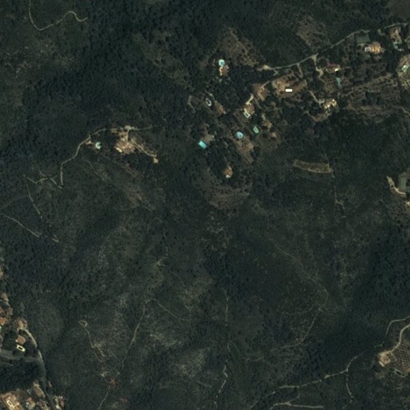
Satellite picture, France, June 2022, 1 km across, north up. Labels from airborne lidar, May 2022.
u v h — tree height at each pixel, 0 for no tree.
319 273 6
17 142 16
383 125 7
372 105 15
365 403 15
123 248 8
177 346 6
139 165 15
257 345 7
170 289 7
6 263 11
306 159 8
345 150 8
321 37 10
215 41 10
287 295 7
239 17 7
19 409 0
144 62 9
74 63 5
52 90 13
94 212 6
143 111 15
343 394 6
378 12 12
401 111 8
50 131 12
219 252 17
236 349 5
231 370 9
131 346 6
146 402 9
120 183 0
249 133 6
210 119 11
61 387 7
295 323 9
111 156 7
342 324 6
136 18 24
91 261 7
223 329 6
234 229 6
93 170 7
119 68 11
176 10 9
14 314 8
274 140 9
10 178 8
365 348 6
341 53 7
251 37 7
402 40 6
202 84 9
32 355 24
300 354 9
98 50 6
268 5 6
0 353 0
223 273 18
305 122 14
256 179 7
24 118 6
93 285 11
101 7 17
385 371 0
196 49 12
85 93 12
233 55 0
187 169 14
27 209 9
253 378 9
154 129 13
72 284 6
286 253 0
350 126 7
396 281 18
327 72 10
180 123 16
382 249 7
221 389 9
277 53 6
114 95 6
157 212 9
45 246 10
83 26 14
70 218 9
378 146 6
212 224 7
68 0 9
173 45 13
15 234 7
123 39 19
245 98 14
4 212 8
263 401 16
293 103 15
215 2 8
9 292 14
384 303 9
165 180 6
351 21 7
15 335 17
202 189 8
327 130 16
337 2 13
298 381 7
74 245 6
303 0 8
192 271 10
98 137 12
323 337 6
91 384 7
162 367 9
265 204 11
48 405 14
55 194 6
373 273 10
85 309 10
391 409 10
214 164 13
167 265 12
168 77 6
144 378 6
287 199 5
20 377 26
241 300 10
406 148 6
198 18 7
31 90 18
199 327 15
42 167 8
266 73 14
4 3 6
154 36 17
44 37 6
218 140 11
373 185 7
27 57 6
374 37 14
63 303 11
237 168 10
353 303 6
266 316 10
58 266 8
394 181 7
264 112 11
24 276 10
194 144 7
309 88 11
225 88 11
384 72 9
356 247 11
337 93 7
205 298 9
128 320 8
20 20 9
